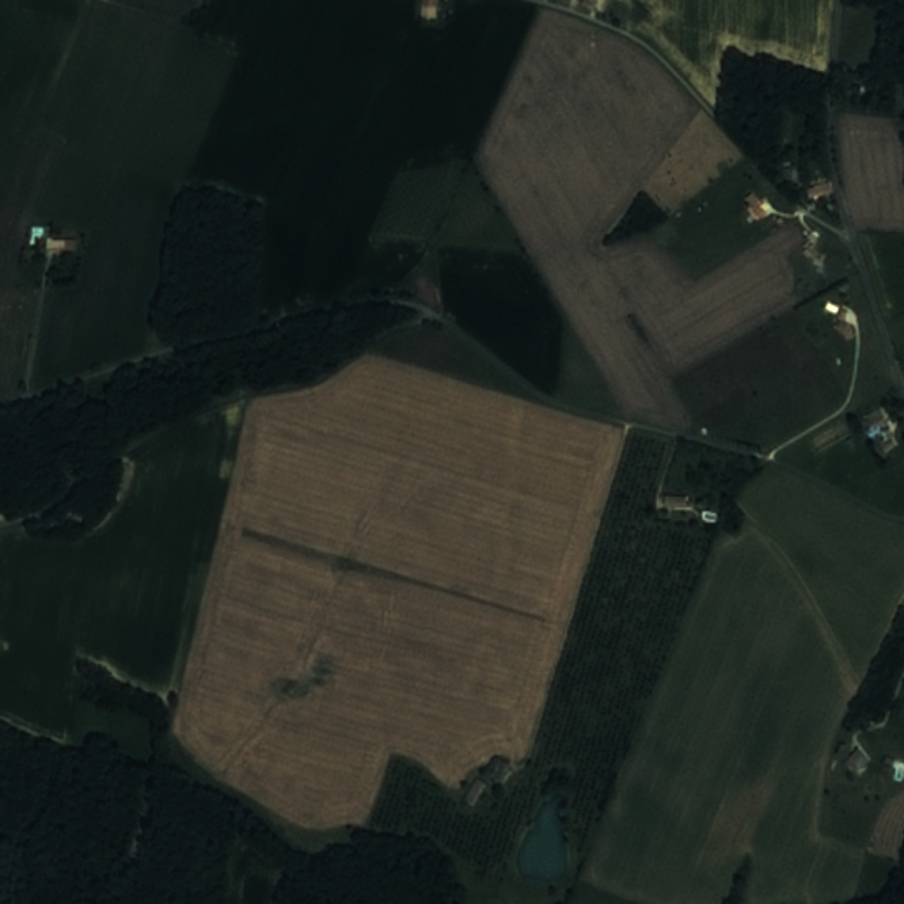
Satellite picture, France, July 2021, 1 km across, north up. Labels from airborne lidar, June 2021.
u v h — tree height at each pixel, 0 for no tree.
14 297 0
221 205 22
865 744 0
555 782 23
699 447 9
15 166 0
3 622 0
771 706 0
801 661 0
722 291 0
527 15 0
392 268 0
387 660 0
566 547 0
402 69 0
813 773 0
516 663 0
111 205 0
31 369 0
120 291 0
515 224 0
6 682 0
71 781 27
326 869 27
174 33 0
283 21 0
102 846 14
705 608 0
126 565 0
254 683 0
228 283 24
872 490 0
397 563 0
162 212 0
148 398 22
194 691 0
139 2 0
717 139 0
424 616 0
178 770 17
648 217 8
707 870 0
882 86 16
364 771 0
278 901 13
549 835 0
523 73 0
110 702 18
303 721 0
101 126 0
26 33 0
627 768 0
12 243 0
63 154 0
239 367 10
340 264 0
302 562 0
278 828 0
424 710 0
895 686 8
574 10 0
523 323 0
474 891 0
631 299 0
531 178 0
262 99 0
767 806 0
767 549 0
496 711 0
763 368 0
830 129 13
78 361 0
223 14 0
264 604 0
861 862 0
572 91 0
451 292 0
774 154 16
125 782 22
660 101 0
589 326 0
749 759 0
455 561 0
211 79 0
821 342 0
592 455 0
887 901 18
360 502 0
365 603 0
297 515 0
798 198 15
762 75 19
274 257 0
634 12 0
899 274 0
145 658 0
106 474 18
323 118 0
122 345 0
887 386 0
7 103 0
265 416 0
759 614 0
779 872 0
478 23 0
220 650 0
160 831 25
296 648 0
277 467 0
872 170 0
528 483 0
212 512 0
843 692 0
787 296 0
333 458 0
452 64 0
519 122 0
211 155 0
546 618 0
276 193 0
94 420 21
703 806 0
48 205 0
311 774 0
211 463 0
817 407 0
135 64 0
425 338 0
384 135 0
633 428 0
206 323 16
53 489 16
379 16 0
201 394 18
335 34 0
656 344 0
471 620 0
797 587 0
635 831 0
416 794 5
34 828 19
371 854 21
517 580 0
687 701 0
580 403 0
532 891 0
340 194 0
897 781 0
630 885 0
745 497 0
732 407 0
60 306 0
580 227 0
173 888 16
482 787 0
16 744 21
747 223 0
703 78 0
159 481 0
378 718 0
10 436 22
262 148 0
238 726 0
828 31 0
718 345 0
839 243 0
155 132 0
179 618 0
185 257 20
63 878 20
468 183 0
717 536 17
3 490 17
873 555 0
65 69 0
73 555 0
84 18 0
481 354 0
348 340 21
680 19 0
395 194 0
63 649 0
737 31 0
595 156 0
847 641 0
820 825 0
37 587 0
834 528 0
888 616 0
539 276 6
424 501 0
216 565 0
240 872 0
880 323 0
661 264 0
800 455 0
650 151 0
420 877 28
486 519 0
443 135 0
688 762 0
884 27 16
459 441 0
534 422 0
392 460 0
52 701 0
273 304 0
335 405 0
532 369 0
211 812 21
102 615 0
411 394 0
